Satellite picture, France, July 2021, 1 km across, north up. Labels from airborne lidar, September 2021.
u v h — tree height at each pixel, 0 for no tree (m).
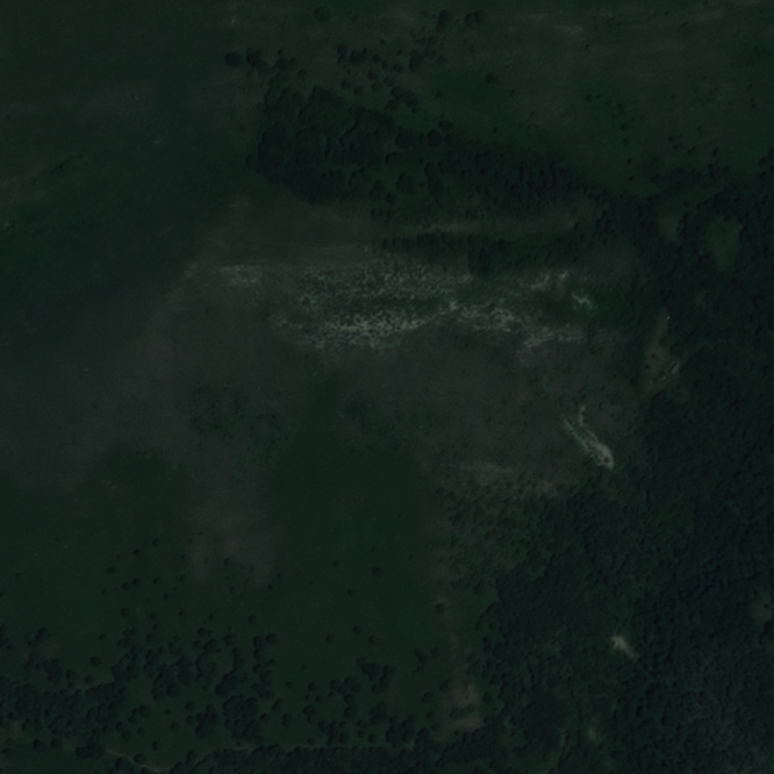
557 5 0
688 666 15
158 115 0
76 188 0
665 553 22
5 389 0
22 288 0
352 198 11
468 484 7
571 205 5
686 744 11
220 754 14
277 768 24
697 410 10
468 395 0
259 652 17
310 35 0
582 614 19
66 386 0
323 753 21
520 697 16
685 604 17
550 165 7
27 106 0
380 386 0
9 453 0
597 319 8
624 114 9
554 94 0
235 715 15
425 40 15
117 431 0
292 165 27
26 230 0
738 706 11
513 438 0
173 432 0
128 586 14
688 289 8
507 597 18
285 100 19
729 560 28
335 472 0
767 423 9
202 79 0
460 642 0
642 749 12
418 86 0
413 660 0
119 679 17
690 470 18
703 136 6
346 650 0
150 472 0
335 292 7
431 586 0
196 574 0
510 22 0
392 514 0
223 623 0
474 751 20
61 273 0
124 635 10
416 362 0
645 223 16
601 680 10
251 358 0
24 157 0
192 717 12
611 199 23
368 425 7
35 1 0
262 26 0
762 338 9
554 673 21
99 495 0
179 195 0
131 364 0
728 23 0
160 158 0
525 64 0
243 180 0
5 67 0
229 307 0
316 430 0
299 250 0
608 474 9
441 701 0
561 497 6
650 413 9
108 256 0
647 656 21
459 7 0
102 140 0
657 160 10
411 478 0
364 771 21
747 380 15
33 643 12
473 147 6
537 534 12
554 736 17
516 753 13
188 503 0
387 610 0
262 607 0
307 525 0
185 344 0
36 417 0
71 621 0
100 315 0
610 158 0
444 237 14
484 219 7
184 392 0
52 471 0
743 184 9
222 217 0
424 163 19
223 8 0
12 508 0
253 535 0
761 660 13
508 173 9
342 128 20
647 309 10
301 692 0
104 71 0
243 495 0
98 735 20
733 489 20
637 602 15
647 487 16
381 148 21
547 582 19
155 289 0
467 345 8
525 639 18
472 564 10
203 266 0
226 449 0
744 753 8
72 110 0
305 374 0
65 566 0
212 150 0
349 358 0
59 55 0
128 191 0
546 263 8
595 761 18
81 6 0
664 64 0
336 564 8
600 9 9
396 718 10
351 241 0
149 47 0
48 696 18
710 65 0
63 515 0
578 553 19
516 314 6
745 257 11
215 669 12
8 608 0
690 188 7
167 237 0
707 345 6
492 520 11
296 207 0
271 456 6
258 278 0
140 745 0
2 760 21
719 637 17
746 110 0
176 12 0
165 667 15
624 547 18
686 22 7
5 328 0
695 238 8
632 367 6
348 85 15
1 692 21
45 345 0
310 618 0
